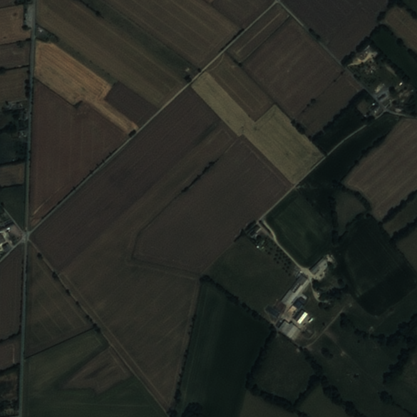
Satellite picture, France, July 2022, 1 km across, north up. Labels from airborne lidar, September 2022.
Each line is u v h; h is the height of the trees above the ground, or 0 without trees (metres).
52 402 0
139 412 0
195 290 0
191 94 0
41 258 14
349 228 7
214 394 0
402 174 0
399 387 0
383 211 0
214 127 0
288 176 0
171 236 0
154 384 0
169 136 0
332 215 12
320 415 0
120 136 0
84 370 0
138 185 0
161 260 0
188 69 0
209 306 0
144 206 0
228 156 0
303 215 0
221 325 0
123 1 0
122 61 0
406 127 0
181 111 0
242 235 9
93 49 0
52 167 0
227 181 0
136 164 0
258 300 0
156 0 0
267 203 0
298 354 0
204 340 0
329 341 0
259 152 0
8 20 0
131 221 0
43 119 0
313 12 0
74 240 0
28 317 0
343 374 0
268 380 0
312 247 0
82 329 0
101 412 0
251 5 0
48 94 0
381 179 0
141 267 0
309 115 0
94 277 0
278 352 0
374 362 0
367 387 0
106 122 0
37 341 0
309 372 0
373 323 0
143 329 0
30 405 0
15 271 0
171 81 0
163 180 0
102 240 0
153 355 0
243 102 0
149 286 0
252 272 0
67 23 0
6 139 0
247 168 0
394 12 0
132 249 0
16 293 0
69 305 0
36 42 0
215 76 0
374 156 0
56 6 0
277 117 0
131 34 0
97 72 0
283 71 0
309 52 0
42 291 0
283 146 0
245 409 0
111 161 0
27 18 0
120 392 0
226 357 0
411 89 0
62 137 0
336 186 22
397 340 15
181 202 0
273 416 0
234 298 18
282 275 0
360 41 0
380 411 0
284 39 0
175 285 0
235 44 0
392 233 0
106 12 0
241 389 0
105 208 0
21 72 0
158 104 0
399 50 0
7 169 0
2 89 0
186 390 0
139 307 0
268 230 9
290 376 0
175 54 0
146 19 0
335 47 0
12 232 0
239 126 0
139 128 0
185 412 12
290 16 0
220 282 0
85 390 0
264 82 0
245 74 0
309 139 12
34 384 0
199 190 0
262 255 0
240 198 0
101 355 0
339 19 0
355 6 0
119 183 0
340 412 0
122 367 0
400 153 0
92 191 0
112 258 0
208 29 0
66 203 0
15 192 0
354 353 0
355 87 0
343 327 16
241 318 0
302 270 0
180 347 0
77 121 0
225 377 0
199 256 0
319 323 0
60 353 0
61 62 0
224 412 0
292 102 0
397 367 15
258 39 0
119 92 0
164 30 0
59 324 0
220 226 0
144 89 0
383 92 0
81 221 0
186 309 0
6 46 0
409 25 0
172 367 0
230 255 0
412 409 0
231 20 0
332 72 0
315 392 0
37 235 0
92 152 0
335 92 0
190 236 0
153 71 0
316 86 0
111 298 0
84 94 0
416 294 0
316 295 0
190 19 0
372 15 0
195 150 0
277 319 0
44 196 0
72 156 0
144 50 0
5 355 0
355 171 0
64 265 0
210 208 0
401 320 0
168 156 0
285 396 0
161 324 0
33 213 0
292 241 0
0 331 0
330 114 0
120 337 0
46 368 0
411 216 0
